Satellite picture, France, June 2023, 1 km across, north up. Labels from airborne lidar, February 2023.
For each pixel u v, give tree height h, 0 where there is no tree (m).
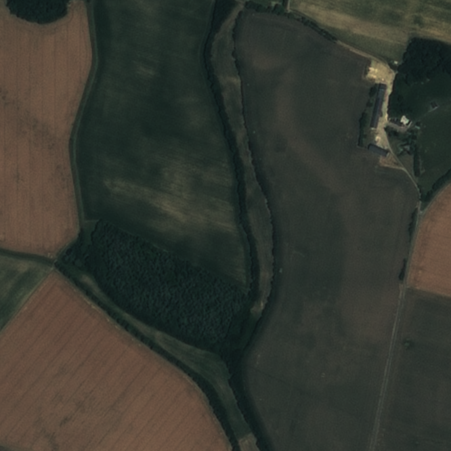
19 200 0
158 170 0
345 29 0
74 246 7
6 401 0
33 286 0
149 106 0
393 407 0
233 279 0
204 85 0
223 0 16
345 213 0
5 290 0
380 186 0
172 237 0
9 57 0
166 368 0
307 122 0
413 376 0
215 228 0
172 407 0
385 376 0
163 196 0
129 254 15
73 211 0
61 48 0
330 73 0
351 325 0
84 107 0
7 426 0
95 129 0
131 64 0
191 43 0
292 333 0
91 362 0
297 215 0
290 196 0
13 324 0
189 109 0
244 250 0
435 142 0
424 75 21
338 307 0
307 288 0
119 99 0
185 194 0
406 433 0
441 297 0
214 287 18
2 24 0
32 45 0
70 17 0
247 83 0
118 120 0
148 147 0
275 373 0
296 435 0
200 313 14
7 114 0
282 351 0
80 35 0
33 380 0
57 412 0
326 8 0
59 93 0
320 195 0
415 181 0
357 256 0
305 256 0
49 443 0
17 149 0
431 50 18
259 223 0
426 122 0
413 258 0
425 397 0
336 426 0
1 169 0
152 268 17
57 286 0
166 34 0
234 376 8
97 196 0
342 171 0
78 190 0
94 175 0
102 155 0
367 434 0
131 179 0
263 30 0
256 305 0
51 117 0
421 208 0
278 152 0
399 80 15
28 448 0
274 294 7
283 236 0
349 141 0
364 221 0
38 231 0
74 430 0
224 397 0
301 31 0
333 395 0
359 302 0
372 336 0
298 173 0
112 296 20
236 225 0
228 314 18
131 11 0
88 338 0
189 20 0
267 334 0
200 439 0
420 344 0
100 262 15
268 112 0
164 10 0
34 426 0
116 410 0
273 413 0
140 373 0
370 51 0
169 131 0
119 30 0
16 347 0
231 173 0
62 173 0
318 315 0
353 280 0
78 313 0
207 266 0
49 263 0
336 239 0
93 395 0
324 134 0
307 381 0
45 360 0
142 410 0
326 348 0
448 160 0
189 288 18
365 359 0
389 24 0
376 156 0
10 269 0
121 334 0
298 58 0
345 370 0
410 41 0
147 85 0
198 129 0
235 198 0
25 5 22
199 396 0
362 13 0
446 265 0
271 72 0
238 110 0
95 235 17
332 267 0
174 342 0
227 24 0
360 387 0
